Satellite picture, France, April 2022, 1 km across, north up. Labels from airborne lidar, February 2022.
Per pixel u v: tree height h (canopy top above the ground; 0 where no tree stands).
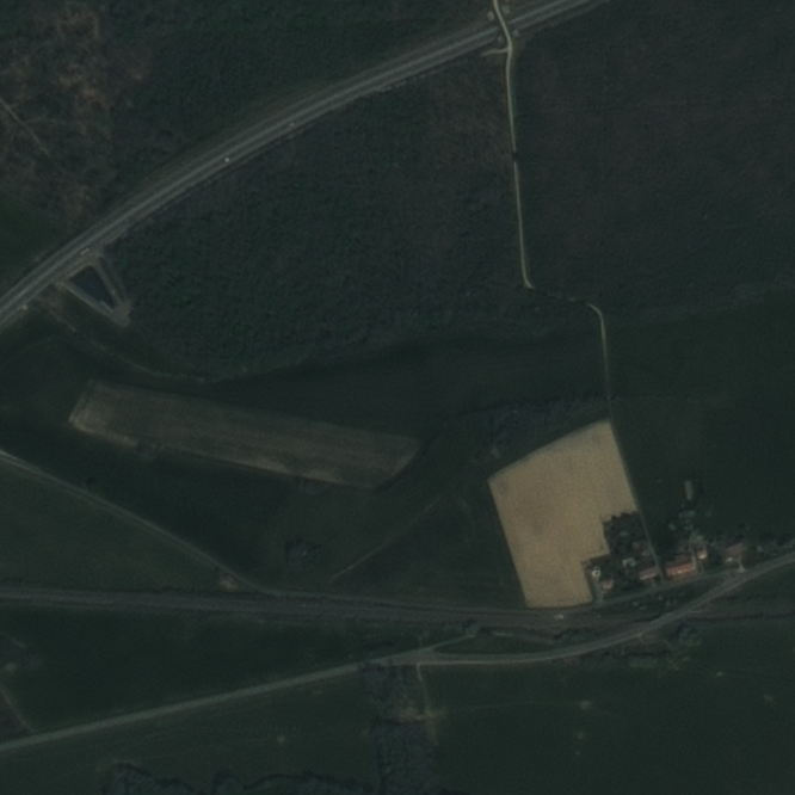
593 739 0
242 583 0
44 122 25
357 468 0
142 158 22
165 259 21
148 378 0
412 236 16
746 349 0
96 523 0
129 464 0
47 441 0
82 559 0
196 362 9
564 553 0
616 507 0
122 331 0
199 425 0
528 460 0
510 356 0
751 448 0
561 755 0
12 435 0
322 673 0
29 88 0
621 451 0
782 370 0
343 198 20
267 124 0
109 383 0
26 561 0
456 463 0
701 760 0
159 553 0
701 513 0
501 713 0
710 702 0
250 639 0
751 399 0
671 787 0
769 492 0
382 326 20
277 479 0
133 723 0
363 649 0
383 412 0
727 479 0
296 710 0
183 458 0
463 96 0
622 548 16
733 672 0
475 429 0
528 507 0
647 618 0
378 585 0
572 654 0
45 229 0
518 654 0
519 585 0
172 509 0
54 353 0
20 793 0
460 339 0
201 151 0
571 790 0
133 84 19
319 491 6
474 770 0
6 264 0
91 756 0
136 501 0
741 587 0
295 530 0
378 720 0
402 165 17
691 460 0
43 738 0
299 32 15
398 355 0
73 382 0
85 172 20
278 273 22
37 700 0
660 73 8
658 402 0
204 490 0
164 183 0
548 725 0
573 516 0
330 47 16
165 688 0
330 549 0
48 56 25
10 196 0
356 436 0
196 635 0
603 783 0
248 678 0
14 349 0
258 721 0
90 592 0
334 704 0
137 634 0
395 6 21
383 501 0
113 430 0
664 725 0
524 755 0
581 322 10
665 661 6
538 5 0
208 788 0
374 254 16
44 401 0
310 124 0
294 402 0
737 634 0
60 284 0
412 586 0
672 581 0
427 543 0
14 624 0
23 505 0
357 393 0
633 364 0
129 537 0
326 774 0
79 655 0
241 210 18
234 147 0
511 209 15
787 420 0
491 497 0
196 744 0
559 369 0
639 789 0
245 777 0
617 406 0
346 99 0
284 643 0
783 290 18
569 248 9
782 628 0
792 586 0
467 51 0
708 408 0
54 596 0
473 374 0
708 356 0
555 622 0
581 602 0
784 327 0
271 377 0
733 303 13
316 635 0
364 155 17
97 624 0
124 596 0
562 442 0
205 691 0
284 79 16
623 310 16
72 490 0
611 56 6
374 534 0
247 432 0
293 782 8
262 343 13
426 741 21
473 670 0
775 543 16
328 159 19
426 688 0
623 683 0
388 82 0
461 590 0
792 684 0
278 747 0
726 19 6
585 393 0
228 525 0
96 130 27
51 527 0
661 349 0
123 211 0
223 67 18
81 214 0
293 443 0
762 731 0
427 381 0
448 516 0
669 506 0
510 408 19
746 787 0
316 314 18
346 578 0
